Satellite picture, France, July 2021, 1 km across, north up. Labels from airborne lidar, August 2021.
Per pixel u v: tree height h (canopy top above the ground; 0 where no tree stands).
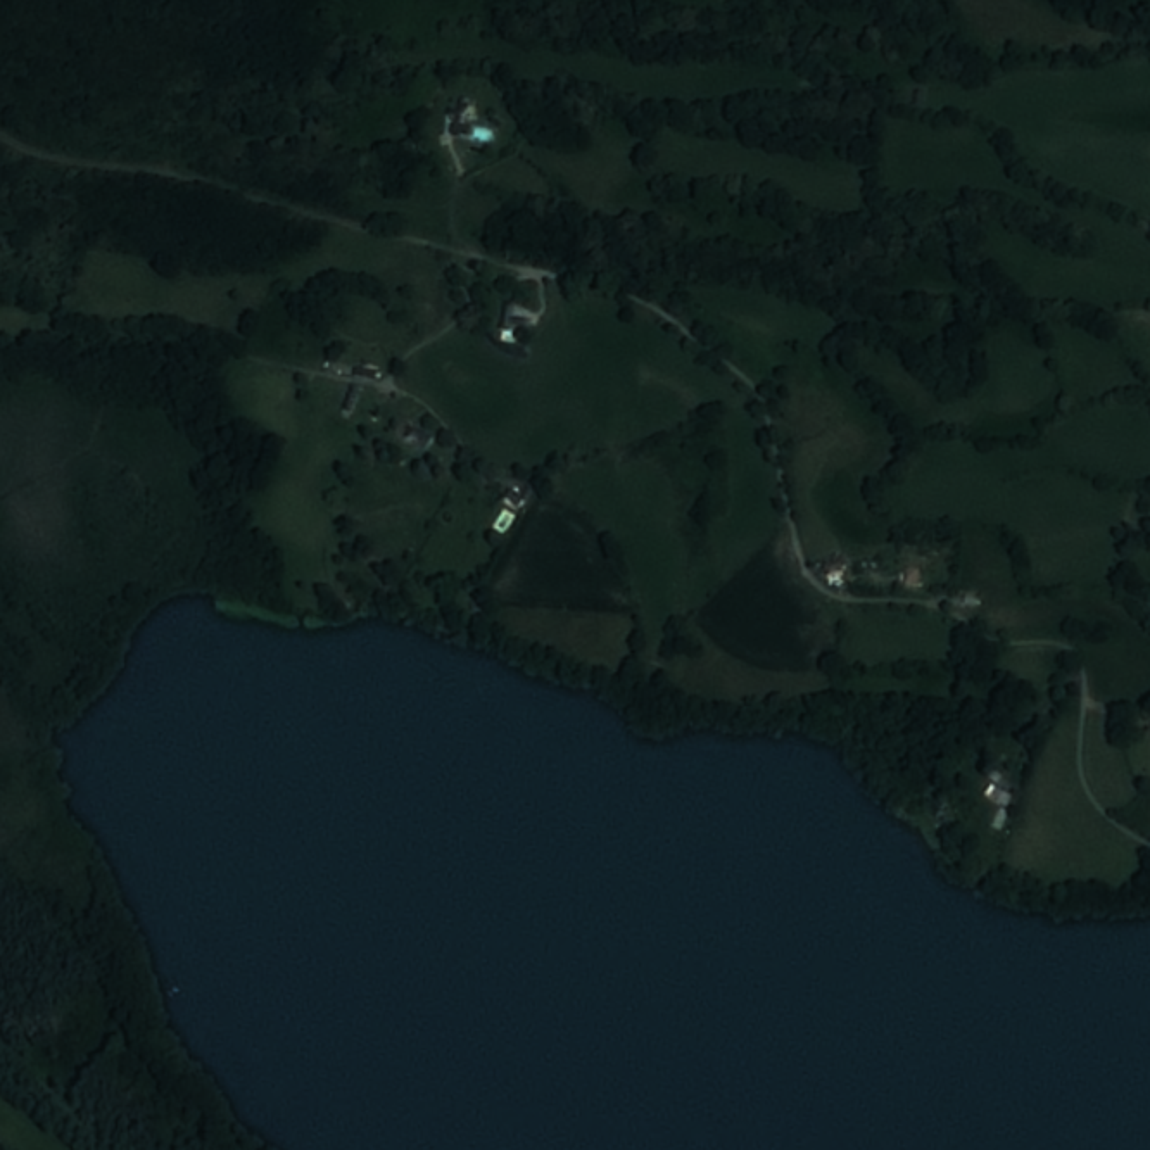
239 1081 0
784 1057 0
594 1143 0
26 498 0
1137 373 10
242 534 14
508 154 7
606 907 0
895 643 0
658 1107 0
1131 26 11
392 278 0
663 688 23
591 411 0
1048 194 11
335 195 24
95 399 5
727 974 0
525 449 0
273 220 17
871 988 0
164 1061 21
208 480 23
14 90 16
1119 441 0
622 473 0
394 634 0
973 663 23
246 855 0
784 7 13
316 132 22
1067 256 13
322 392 0
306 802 0
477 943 0
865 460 0
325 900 0
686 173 0
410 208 0
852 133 20
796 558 0
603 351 0
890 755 24
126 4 19
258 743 0
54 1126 29
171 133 21
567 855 0
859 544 0
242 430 21
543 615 0
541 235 23
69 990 30
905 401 0
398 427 11
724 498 0
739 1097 0
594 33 19
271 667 0
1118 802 0
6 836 0
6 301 23
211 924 0
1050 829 0
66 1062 8
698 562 0
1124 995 0
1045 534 0
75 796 0
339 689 0
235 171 20
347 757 0
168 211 20
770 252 13
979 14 0
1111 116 0
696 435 5
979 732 28
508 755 0
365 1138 0
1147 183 0
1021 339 0
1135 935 0
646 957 0
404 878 0
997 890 23
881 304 27
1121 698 0
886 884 0
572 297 28
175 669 0
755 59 19
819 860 0
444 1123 0
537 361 0
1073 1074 0
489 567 10
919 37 16
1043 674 0
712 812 0
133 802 0
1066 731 0
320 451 0
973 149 0
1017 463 0
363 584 5
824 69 16
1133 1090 0
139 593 16
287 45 22
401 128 0
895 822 0
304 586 16
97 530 7
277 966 0
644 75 0
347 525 22
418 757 0
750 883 0
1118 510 0
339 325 13
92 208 20
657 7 15
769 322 0
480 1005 0
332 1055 0
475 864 0
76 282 21
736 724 21
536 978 0
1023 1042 0
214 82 21
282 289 10
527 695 0
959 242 23
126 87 14
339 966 0
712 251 18
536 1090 0
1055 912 17
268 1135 0
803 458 0
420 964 0
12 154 20
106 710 0
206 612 0
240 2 21
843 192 0
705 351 10
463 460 20
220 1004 0
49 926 32
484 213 0
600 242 25
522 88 12
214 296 0
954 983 0
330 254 0
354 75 25
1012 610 0
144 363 27
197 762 0
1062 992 0
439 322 0
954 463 0
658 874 0
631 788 0
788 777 0
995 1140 0
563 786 0
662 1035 0
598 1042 0
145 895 0
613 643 0
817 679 0
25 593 7
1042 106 0
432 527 9
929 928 0
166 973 0
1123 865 0
